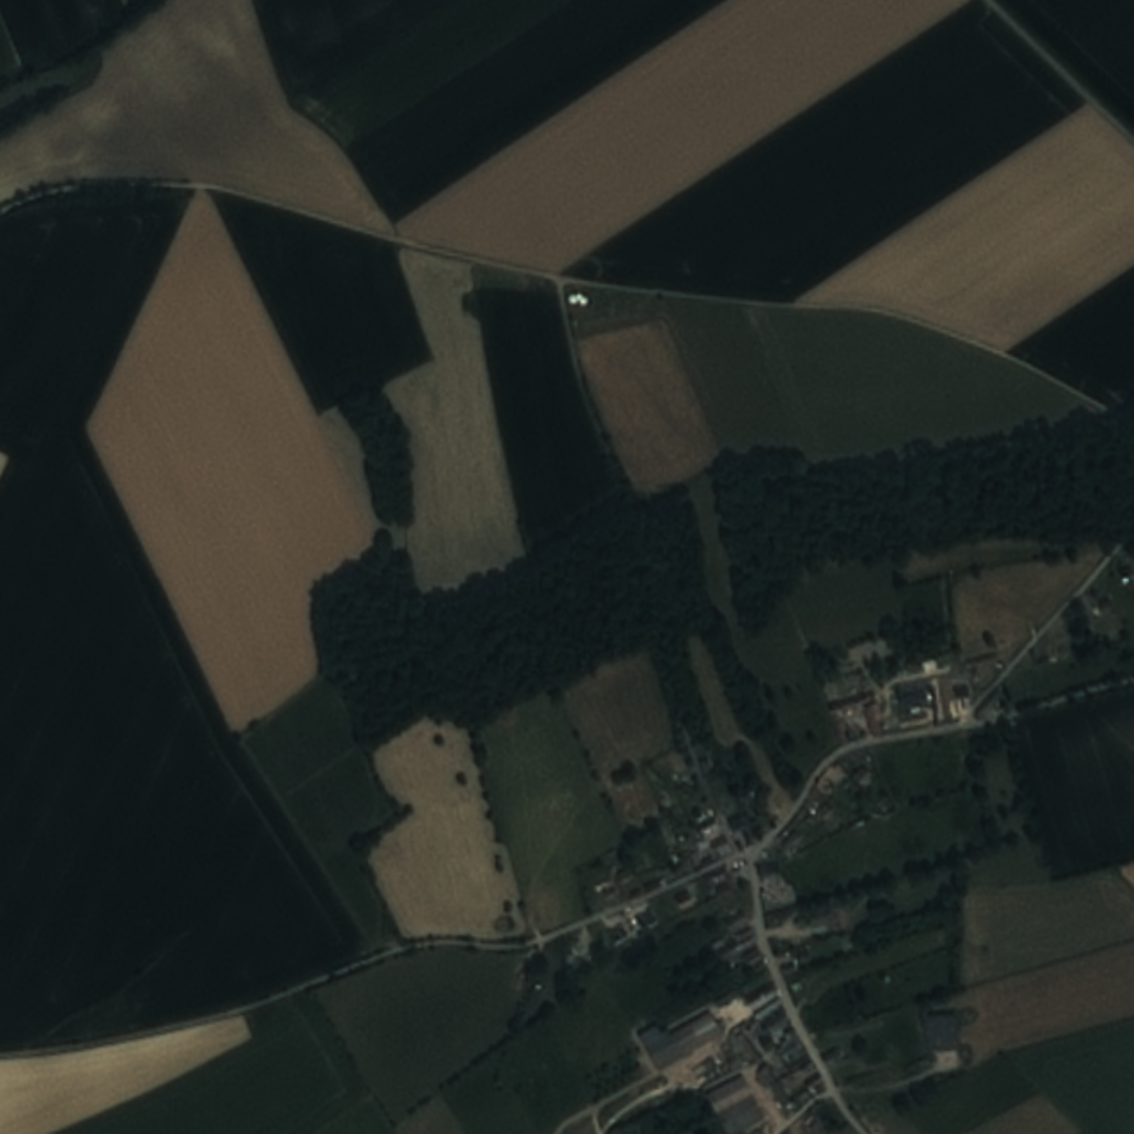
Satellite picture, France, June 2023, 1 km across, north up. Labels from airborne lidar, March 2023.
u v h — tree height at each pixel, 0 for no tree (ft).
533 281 0
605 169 0
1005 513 61
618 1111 0
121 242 0
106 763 0
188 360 0
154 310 0
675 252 0
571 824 0
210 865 0
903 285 0
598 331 0
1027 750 0
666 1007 0
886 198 0
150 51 0
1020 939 0
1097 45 0
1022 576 0
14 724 0
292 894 0
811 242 0
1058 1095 0
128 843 0
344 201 0
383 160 0
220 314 0
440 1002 0
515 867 0
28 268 0
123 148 0
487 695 71
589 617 87
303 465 0
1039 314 0
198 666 0
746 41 0
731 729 0
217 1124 0
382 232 0
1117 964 0
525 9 0
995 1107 0
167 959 0
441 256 0
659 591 74
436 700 58
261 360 0
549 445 0
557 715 0
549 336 0
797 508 81
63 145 0
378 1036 0
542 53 0
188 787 0
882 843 0
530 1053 0
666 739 0
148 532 0
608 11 0
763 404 0
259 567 0
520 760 0
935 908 38
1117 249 0
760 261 0
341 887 0
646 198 0
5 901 0
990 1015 0
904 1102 42
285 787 0
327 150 0
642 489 0
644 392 0
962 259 0
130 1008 0
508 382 0
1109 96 0
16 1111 0
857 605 0
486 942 0
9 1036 0
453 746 0
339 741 0
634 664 0
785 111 0
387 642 54
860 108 0
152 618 0
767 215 0
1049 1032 0
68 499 0
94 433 0
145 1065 0
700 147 0
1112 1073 0
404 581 46
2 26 0
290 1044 0
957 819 0
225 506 0
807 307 0
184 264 0
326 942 0
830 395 0
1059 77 0
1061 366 0
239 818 0
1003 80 0
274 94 0
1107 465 88
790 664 0
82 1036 0
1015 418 0
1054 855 0
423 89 0
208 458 0
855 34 0
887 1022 0
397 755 0
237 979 0
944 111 0
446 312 0
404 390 0
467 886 0
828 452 0
